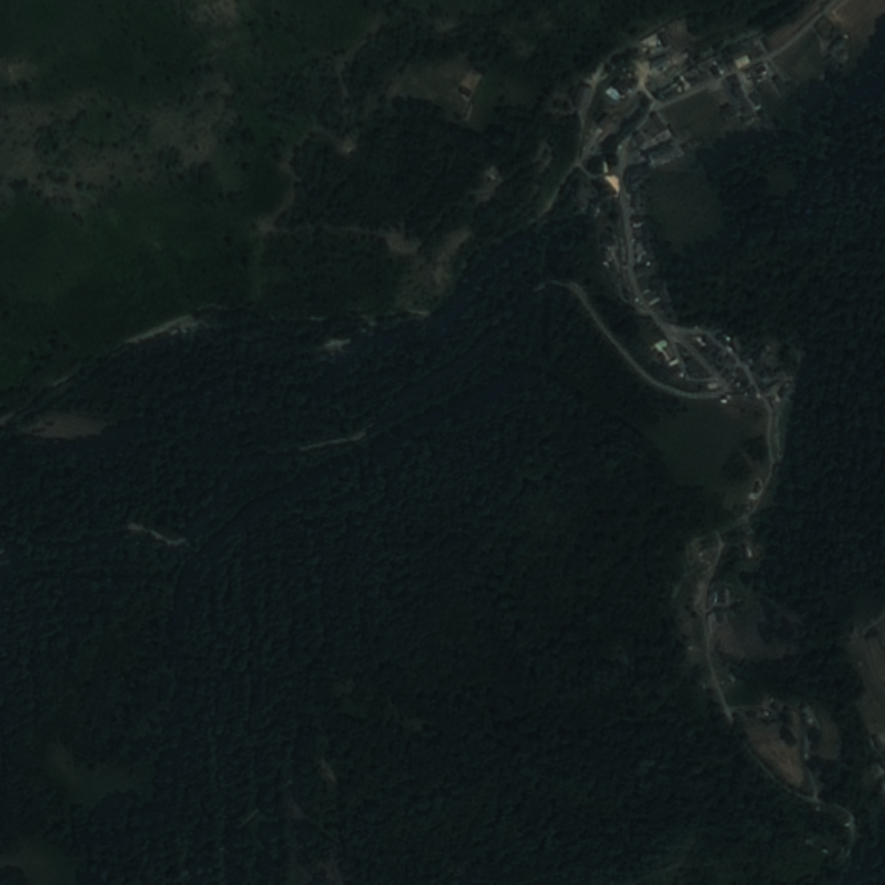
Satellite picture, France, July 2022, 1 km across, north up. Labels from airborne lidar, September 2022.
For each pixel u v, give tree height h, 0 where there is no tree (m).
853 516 24
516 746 8
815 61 0
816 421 19
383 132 15
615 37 10
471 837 25
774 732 0
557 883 5
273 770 32
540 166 9
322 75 7
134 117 8
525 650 29
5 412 8
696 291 12
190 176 6
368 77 13
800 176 10
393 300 11
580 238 21
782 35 0
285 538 16
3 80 0
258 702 30
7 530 28
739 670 12
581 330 15
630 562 21
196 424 30
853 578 18
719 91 0
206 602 26
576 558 22
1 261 0
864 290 26
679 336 0
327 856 26
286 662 30
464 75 0
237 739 32
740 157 22
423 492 25
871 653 0
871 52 0
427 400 19
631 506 16
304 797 24
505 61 20
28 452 17
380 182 10
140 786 0
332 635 31
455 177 17
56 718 26
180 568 8
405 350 23
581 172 14
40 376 11
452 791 24
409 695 30
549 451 28
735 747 14
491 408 30
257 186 0
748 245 22
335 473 21
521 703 27
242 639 27
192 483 26
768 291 27
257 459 23
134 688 35
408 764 17
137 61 0
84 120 10
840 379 20
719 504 6
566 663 20
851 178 28
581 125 9
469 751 26
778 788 7
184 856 17
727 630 0
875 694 0
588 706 27
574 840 20
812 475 24
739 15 15
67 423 0
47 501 23
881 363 27
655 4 16
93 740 26
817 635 19
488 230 12
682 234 0
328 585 29
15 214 0
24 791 25
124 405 10
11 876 25
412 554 27
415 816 27
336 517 28
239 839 27
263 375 28
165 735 9
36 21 0
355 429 24
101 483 29
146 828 32
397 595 26
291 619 19
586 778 31
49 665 29
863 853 13
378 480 27
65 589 26
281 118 11
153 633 26
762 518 7
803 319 11
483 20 12
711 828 16
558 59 12
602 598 10
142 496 20
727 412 0
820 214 34
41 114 0
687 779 25
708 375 0
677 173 0
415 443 27
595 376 8
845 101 20
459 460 24
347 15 0
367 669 18
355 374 30
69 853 10
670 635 22
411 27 15
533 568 25
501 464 29
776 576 19
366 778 24
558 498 29
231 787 33
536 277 19
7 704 19
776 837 21
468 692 25
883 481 26
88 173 0
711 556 0
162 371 11
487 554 29
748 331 21
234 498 25
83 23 0
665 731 25
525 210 13
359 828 16
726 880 6
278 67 6
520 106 8
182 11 6
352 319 8
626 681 32
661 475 11
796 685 11
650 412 11
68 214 0
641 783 22
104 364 17
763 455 8
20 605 28
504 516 21
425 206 17
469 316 32
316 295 17
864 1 0
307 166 13
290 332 15
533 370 19
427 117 18
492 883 27
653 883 5
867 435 18
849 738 8
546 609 23
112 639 29
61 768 0
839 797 15
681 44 0
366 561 21
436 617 25
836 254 19
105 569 16
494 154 22
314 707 25
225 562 20
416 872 22
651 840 15
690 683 8
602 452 37
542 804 25
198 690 26
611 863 17
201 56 7
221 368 19
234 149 16
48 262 0
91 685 25
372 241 9
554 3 9
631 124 10
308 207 11
